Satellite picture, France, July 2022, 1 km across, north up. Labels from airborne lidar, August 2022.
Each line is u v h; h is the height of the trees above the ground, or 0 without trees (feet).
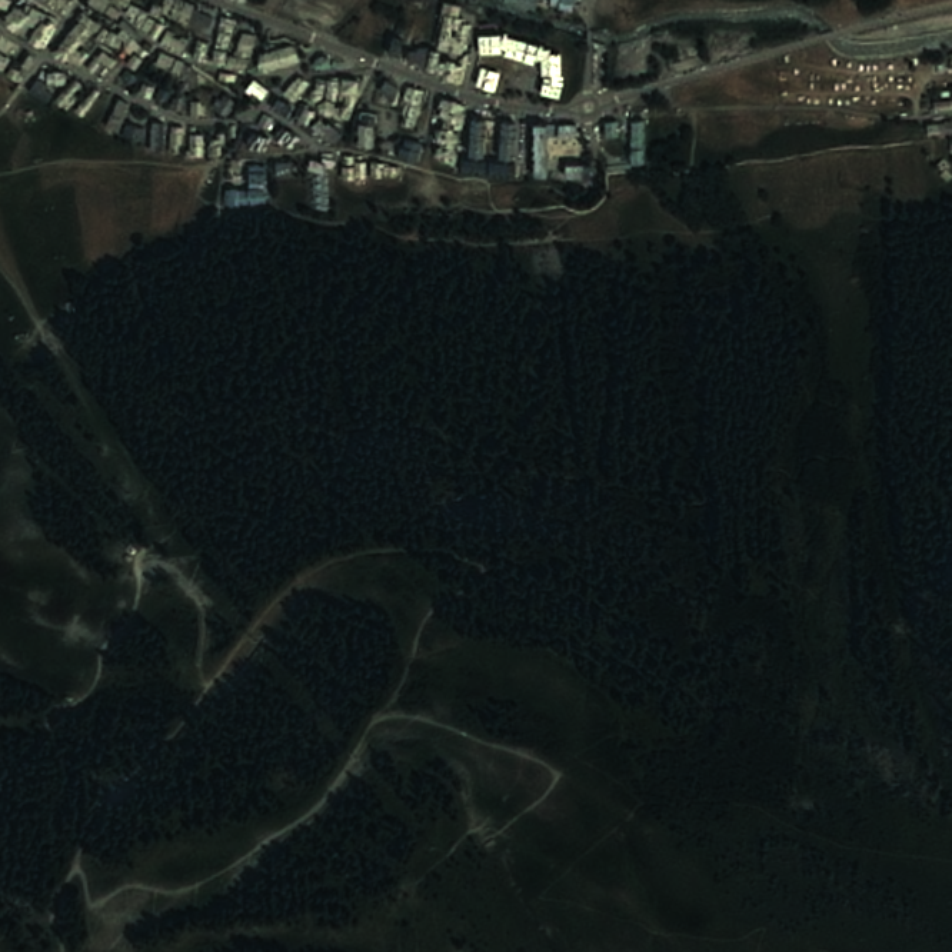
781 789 26
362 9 0
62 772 57
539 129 0
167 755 69
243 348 94
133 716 42
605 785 0
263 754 40
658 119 0
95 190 0
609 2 0
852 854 0
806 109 0
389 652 58
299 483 78
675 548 26
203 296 88
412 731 0
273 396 71
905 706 18
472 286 80
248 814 52
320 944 0
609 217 0
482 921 0
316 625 72
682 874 0
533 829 0
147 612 0
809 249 0
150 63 42
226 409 44
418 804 56
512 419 0
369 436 70
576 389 89
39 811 81
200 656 0
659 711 18
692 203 46
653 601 19
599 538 17
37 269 0
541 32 33
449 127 0
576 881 0
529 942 0
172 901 0
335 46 0
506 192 0
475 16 0
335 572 0
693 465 18
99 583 0
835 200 0
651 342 90
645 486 58
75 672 0
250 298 93
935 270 80
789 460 21
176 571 0
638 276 36
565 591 81
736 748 20
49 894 57
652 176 38
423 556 83
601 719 0
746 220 38
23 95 0
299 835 31
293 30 0
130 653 50
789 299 21
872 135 0
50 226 0
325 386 69
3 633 0
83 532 50
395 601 0
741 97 0
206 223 62
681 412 21
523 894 0
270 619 0
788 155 0
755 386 86
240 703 32
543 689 0
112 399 62
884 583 18
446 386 37
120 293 85
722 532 94
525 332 82
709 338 96
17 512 0
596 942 0
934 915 0
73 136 0
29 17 0
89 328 69
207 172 0
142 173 0
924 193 0
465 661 0
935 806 55
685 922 0
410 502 71
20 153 0
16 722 0
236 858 0
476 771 0
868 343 0
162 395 63
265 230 79
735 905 0
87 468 69
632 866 0
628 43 0
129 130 0
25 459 0
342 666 67
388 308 83
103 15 42
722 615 20
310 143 0
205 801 58
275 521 71
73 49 0
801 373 88
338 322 64
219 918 73
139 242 59
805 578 20
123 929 0
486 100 0
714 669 73
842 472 17
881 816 0
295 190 0
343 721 59
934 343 93
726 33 0
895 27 0
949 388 61
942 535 48
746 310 99
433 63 0
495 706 39
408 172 0
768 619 19
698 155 0
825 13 0
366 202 0
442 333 63
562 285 23
